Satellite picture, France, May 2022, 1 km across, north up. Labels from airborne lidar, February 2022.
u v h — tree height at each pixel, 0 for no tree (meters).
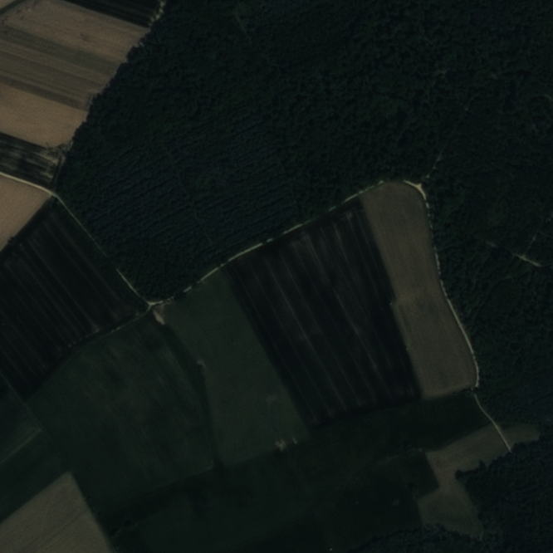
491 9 27
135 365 0
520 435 0
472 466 0
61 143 0
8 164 0
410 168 25
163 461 0
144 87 25
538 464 22
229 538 0
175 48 29
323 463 0
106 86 0
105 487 0
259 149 11
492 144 13
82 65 0
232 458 0
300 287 0
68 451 0
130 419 0
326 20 15
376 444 0
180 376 0
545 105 27
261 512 0
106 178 12
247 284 0
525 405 15
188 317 0
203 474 0
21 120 0
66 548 0
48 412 0
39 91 0
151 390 0
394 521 0
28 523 0
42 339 0
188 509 0
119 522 0
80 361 0
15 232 0
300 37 14
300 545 0
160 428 0
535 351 26
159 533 0
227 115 8
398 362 0
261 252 0
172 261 9
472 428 0
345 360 0
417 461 0
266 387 0
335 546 0
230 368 0
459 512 0
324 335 0
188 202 6
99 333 0
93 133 13
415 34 30
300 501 0
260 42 14
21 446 0
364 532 0
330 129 23
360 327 0
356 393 0
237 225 10
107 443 0
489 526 14
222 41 22
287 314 0
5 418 0
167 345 0
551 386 16
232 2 19
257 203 10
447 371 0
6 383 0
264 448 0
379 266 0
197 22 25
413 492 16
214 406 0
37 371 0
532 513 21
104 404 0
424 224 0
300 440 0
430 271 0
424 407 0
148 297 9
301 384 0
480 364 20
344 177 27
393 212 0
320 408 0
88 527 0
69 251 0
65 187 16
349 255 0
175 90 22
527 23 28
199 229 8
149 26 0
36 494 0
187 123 19
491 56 32
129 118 25
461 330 0
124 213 6
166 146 6
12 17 0
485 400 12
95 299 0
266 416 0
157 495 0
